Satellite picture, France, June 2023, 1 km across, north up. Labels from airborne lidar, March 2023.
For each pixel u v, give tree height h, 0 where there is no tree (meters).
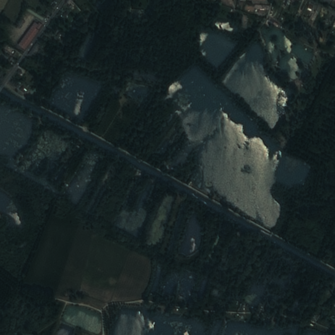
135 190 15
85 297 0
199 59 13
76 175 0
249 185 0
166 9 21
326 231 6
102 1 13
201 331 0
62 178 13
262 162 0
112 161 16
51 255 0
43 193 6
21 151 14
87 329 0
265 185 0
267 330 0
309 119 7
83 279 0
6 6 0
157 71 6
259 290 0
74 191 0
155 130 18
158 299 20
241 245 10
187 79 0
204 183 0
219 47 0
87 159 0
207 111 0
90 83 0
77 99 0
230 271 22
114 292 0
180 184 0
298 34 11
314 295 17
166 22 14
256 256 16
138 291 0
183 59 17
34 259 0
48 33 13
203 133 0
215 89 0
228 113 0
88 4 7
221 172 0
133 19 17
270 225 0
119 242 7
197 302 23
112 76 20
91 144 16
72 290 17
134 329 0
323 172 5
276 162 0
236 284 18
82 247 0
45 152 0
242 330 0
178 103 0
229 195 0
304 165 0
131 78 22
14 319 17
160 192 19
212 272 29
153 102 14
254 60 0
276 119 0
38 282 0
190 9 12
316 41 0
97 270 0
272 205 0
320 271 24
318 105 8
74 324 0
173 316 0
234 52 8
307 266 25
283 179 0
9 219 0
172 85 0
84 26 36
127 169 6
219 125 0
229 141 0
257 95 0
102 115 6
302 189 8
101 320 0
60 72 19
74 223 0
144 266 0
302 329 7
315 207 28
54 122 15
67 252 0
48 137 0
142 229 16
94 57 22
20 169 0
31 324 7
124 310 0
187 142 0
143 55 14
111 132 0
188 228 0
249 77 0
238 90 0
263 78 0
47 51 11
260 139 0
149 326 0
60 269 0
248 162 0
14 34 0
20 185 7
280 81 27
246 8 0
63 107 0
